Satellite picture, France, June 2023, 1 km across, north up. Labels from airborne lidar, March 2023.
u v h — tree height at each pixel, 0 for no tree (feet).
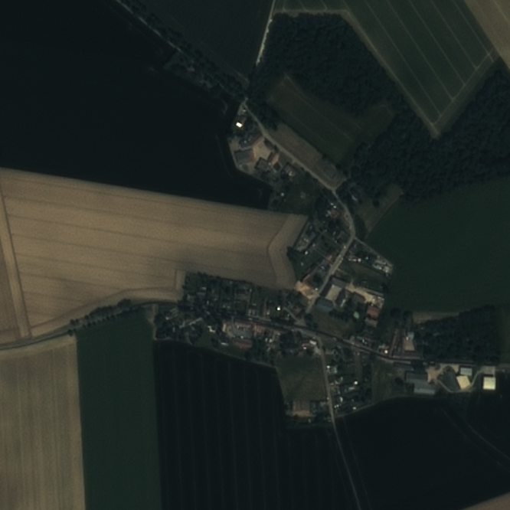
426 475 0
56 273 0
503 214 0
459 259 0
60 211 0
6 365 0
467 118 60
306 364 0
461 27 0
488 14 0
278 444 0
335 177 0
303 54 85
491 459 0
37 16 0
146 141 0
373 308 0
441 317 0
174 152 0
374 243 0
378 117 0
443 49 0
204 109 0
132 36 0
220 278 22
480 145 37
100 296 0
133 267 0
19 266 0
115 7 0
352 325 0
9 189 0
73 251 0
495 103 70
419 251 0
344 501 0
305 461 0
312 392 0
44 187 0
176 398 0
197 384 0
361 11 0
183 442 0
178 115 0
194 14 0
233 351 0
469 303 0
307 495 0
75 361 0
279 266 0
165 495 0
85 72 0
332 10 0
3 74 0
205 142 0
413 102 0
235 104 0
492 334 41
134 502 0
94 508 0
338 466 0
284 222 0
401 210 0
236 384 0
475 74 0
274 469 0
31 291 0
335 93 77
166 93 0
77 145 0
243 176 0
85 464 0
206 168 0
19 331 0
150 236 0
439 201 0
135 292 0
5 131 0
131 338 0
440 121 0
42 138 0
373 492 0
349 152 0
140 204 0
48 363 0
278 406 0
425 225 0
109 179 0
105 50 0
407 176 63
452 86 0
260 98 56
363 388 23
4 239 0
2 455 0
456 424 0
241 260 0
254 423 0
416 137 65
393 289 0
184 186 0
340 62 96
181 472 0
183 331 31
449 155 79
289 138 0
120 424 0
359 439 0
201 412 0
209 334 0
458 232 0
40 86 0
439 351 39
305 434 0
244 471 0
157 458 0
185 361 0
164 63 29
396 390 0
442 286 0
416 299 0
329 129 0
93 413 0
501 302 0
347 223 0
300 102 0
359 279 0
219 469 0
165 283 0
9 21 0
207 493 0
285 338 57
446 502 0
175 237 0
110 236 0
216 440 0
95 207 0
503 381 0
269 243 0
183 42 43
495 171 36
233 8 0
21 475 0
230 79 55
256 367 0
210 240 0
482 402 0
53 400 0
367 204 0
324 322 0
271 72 75
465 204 0
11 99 0
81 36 0
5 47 0
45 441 0
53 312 0
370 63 81
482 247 0
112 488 0
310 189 0
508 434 0
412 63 0
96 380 0
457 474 0
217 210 0
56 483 0
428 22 0
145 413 0
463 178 58
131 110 0
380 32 0
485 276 0
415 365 61
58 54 0
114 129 0
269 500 0
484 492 0
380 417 0
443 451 0
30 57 0
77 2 0
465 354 23
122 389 0
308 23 75
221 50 0
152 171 0
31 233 0
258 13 0
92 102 0
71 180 0
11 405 0
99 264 0
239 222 0
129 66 0
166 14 0
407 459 0
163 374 0
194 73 51
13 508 0
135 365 0
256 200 0
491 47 0
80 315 0
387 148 74
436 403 0
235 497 0
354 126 0
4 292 0
